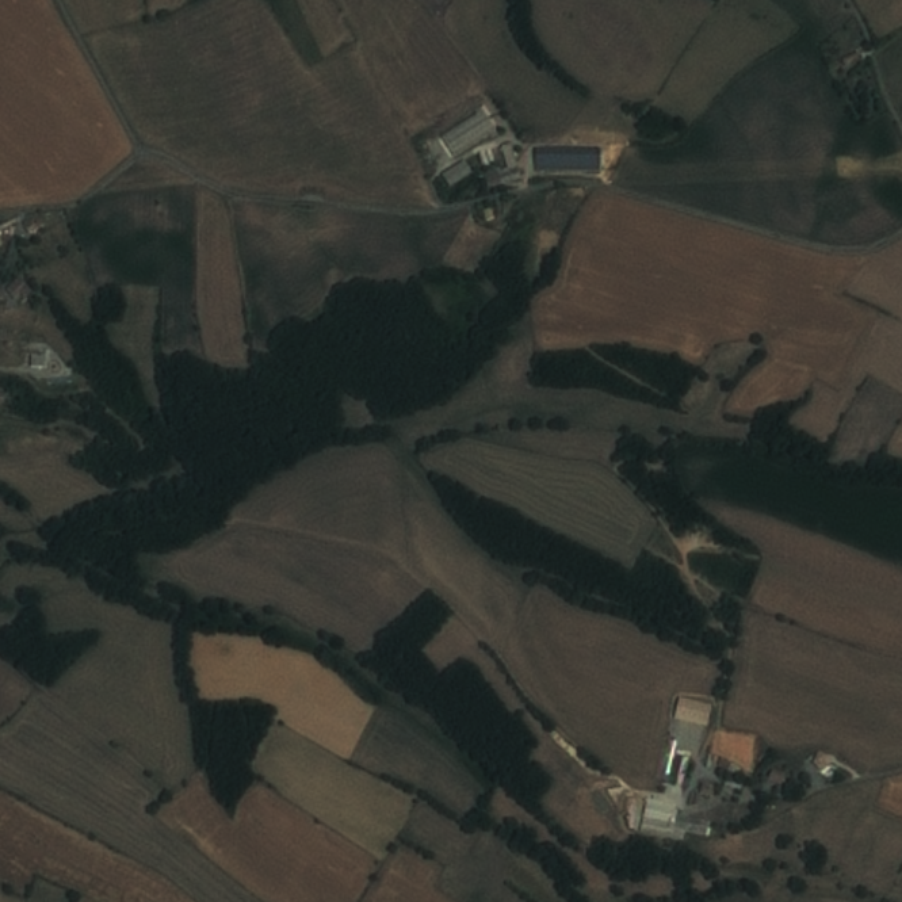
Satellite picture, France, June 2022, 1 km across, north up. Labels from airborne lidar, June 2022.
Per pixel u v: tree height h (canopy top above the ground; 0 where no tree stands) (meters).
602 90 0
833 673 0
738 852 0
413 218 0
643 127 10
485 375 0
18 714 0
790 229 0
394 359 12
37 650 15
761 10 0
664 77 0
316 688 0
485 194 9
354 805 0
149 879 0
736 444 9
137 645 0
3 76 0
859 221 0
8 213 0
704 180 0
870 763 0
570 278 0
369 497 0
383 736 0
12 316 0
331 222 0
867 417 0
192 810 0
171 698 0
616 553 0
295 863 0
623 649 0
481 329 15
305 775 0
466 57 0
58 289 0
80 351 10
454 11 0
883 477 15
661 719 0
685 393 7
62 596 0
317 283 0
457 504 13
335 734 0
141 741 0
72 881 0
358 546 0
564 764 0
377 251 0
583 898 19
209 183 0
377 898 0
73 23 0
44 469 0
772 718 0
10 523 0
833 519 0
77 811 0
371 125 0
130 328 0
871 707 0
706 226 0
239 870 0
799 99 0
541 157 0
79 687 0
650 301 0
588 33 0
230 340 0
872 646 0
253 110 0
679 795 0
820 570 0
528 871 0
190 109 0
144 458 15
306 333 14
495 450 0
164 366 17
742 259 0
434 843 0
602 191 0
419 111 0
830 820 0
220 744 10
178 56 0
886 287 0
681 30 0
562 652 0
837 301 0
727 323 0
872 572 0
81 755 0
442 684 16
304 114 0
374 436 17
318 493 0
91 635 14
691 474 0
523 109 0
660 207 0
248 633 10
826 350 0
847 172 0
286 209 0
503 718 13
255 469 25
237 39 0
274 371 10
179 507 19
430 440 8
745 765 0
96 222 0
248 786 9
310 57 0
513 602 0
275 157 0
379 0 0
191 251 0
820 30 0
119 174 0
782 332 0
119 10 0
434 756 0
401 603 0
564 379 6
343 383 19
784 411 10
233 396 13
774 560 0
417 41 0
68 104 0
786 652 0
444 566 0
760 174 0
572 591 13
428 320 12
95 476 12
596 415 0
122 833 0
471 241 0
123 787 0
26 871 0
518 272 14
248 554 0
